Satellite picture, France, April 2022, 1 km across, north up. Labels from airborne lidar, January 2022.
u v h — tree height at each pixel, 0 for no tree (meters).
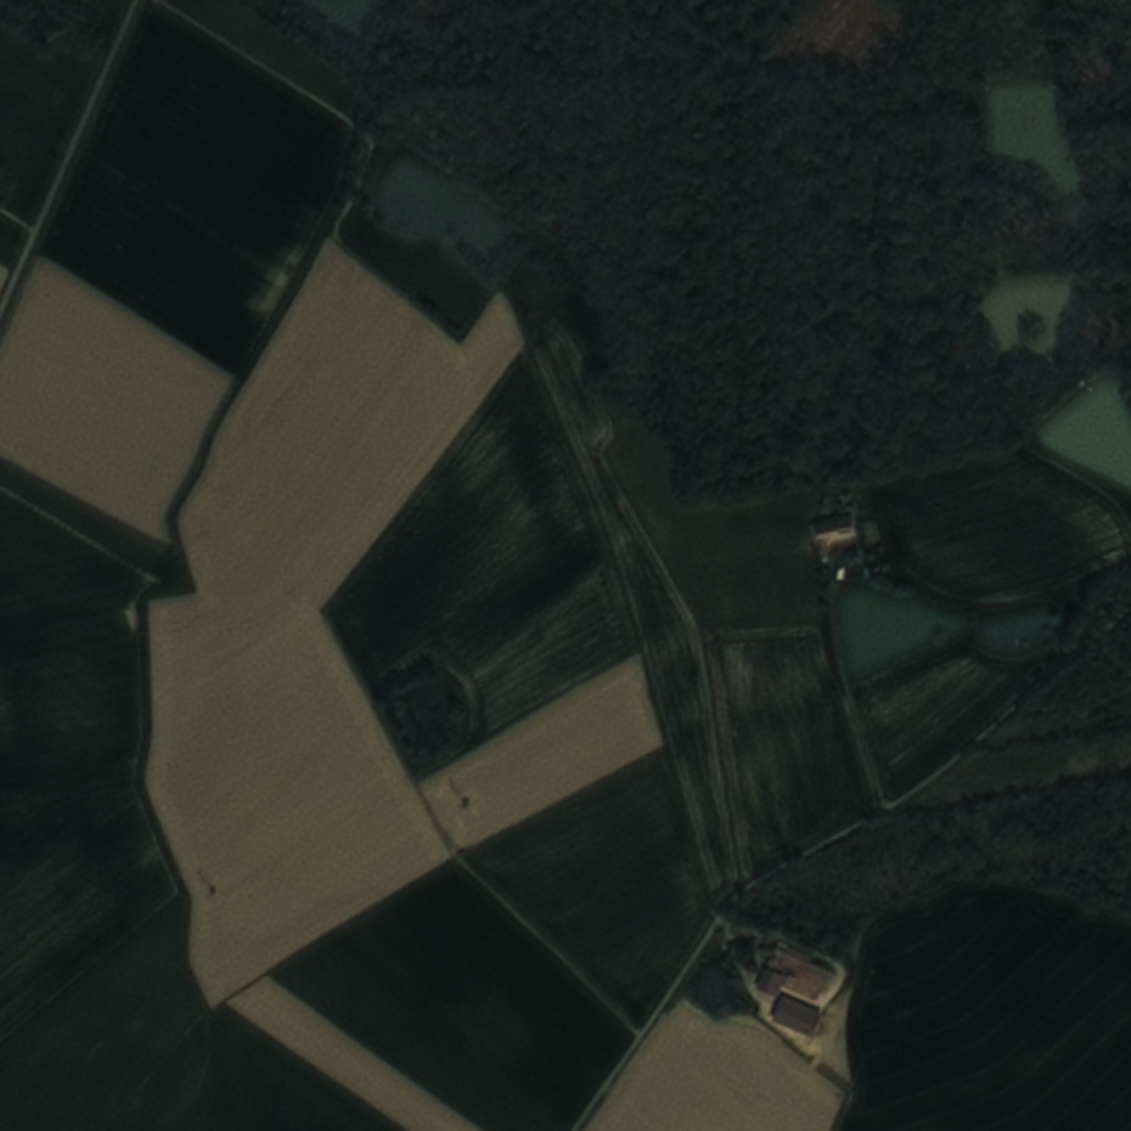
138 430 0
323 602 0
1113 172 27
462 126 29
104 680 0
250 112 0
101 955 0
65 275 0
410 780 0
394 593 0
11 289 0
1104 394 0
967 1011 0
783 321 29
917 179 28
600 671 0
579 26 26
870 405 30
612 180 30
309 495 0
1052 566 0
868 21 25
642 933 0
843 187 30
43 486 0
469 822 0
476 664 0
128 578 0
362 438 0
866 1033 0
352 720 0
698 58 29
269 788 0
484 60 27
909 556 0
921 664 0
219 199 0
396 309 0
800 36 29
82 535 0
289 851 0
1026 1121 0
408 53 26
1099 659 17
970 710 0
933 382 26
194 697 0
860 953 0
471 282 0
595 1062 0
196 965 0
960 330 27
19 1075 0
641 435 0
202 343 0
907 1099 0
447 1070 0
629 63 29
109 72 0
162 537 0
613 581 0
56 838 0
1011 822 24
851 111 32
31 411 0
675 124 32
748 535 0
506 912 0
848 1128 0
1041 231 33
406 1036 0
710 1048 0
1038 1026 0
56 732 0
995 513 0
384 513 0
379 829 0
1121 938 0
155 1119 0
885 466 26
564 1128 0
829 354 31
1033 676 0
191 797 0
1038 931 0
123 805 0
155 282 0
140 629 0
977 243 34
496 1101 0
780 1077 0
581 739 0
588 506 0
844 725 0
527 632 0
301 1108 0
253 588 0
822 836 0
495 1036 0
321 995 0
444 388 0
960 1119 0
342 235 0
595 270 26
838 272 31
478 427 0
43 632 0
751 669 0
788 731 0
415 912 0
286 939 0
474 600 0
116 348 0
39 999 0
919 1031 0
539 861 0
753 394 27
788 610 0
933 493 0
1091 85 27
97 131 0
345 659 0
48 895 0
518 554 0
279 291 0
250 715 0
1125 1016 0
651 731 0
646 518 0
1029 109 0
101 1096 0
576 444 0
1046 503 0
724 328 23
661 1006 0
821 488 14
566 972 0
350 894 0
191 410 0
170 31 0
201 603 0
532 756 0
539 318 0
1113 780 17
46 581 0
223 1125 0
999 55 25
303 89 0
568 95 32
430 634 0
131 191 0
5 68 0
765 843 0
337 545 0
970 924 0
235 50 0
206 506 0
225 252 0
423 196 0
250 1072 0
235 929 0
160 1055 0
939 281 30
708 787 0
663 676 0
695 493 22
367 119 21
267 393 0
